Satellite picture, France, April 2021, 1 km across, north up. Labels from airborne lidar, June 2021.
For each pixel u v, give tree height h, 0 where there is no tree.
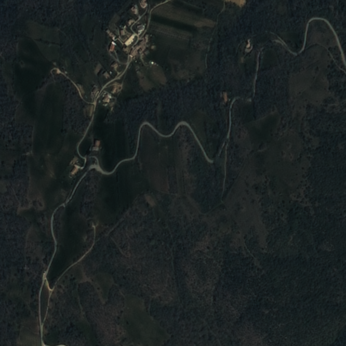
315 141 0
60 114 0
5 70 0
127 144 0
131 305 0
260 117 13
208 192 15
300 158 6
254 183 0
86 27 0
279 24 11
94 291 9
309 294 8
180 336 12
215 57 25
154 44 0
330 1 10
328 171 7
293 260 6
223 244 6
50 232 0
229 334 19
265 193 6
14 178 11
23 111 0
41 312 0
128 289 9
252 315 6
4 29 8
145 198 10
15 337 10
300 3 6
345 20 9
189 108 13
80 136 0
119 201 0
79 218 0
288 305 9
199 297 7
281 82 15
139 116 6
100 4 6
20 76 0
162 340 0
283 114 12
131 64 0
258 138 0
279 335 7
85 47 13
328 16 8
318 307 8
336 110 0
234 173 0
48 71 0
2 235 16
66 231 0
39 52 0
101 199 0
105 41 0
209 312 11
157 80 0
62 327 13
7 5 6
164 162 0
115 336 9
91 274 9
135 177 0
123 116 11
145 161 0
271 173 0
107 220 0
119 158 0
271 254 8
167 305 7
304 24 8
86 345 13
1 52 7
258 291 7
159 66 0
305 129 8
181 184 0
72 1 10
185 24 0
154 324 0
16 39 8
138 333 0
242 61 0
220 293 10
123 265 10
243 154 0
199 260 6
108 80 6
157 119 14
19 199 10
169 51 0
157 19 0
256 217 0
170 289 9
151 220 11
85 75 0
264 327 10
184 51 0
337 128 10
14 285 0
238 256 8
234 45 16
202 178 7
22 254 13
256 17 12
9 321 0
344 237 7
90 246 10
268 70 10
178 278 17
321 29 0
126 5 0
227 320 13
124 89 0
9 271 14
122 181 0
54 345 0
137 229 19
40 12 11
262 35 15
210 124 13
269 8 8
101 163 0
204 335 13
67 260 0
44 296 0
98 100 6
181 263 14
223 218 0
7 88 8
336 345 9
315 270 8
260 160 0
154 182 0
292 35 0
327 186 5
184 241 10
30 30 0
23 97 0
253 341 7
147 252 15
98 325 10
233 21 16
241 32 9
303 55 6
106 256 16
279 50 13
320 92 0
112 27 0
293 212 9
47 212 0
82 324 0
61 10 7
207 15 11
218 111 19
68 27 9
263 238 0
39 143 0
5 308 11
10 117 11
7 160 0
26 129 10
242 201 0
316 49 0
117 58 0
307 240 7
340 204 9
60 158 0
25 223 12
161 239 13
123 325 0
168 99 9
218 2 0
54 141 0
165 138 0
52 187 0
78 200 0
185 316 11
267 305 6
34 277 9
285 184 0
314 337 6
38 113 0
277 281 6
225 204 0
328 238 6
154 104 7
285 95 8
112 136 0
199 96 11
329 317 6
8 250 18
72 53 8
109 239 13
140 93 5
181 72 0
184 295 13
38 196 0
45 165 0
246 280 8
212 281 6
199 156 6
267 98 7
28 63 0
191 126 10
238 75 9
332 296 7
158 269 21
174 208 0
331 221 8
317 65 0
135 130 9
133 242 12
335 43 0
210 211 0
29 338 0
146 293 11
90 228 7
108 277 0
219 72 13
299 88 0
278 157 0
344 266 7
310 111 13
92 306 10
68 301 8
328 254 7
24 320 0
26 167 9
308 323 10
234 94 11
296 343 6
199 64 0
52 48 0
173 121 11
